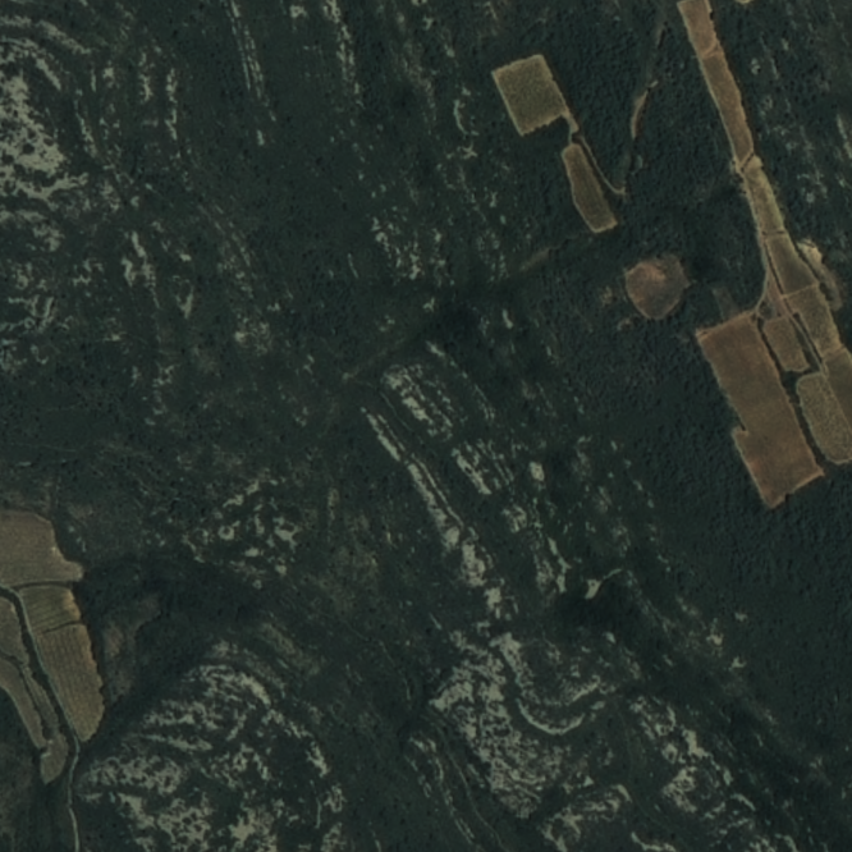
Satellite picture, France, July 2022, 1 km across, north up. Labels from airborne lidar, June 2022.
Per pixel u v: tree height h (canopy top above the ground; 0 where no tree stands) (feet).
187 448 0
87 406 21
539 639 0
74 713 0
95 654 31
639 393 35
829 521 20
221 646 0
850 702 25
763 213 0
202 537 0
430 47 48
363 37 37
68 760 22
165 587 20
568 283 38
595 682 0
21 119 0
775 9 22
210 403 0
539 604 0
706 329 0
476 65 26
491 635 17
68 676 0
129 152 20
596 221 0
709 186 29
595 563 44
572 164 0
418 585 0
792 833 19
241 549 0
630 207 35
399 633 0
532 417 25
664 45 42
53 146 0
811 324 0
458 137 20
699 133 24
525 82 0
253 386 0
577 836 0
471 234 23
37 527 0
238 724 0
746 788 28
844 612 41
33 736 0
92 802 0
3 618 0
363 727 0
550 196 51
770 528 36
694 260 19
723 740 20
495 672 0
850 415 0
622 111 34
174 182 21
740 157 0
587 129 31
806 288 0
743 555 47
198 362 0
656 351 49
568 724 0
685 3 0
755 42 23
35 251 0
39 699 0
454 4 27
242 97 24
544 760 0
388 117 38
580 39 27
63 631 0
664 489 23
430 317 18
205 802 0
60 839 25
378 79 31
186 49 23
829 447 0
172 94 0
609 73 46
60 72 0
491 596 0
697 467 44
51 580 0
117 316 0
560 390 30
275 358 0
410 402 0
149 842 0
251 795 0
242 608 28
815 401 0
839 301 0
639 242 29
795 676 24
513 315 32
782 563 36
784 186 23
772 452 0
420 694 24
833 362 0
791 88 22
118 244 0
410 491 25
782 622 31
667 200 26
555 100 0
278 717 0
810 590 38
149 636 20
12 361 0
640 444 33
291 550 0
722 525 44
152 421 0
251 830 0
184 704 0
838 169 17
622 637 28
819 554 25
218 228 0
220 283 22
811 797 17
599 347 25
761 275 19
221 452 0
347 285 32
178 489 39
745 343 0
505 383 27
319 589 0
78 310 0
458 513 0
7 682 0
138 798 0
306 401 0
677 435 37
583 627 37
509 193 24
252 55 0
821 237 20
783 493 0
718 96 0
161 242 0
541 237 21
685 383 40
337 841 0
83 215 0
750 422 0
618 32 18
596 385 25
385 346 0
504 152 20
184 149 20
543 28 37
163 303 0
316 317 27
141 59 0
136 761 0
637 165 38
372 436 0
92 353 23
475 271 26
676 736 24
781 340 0
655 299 0
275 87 26
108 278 0
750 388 0
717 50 0
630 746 0
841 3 0
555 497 31
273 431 0
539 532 36
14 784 24
